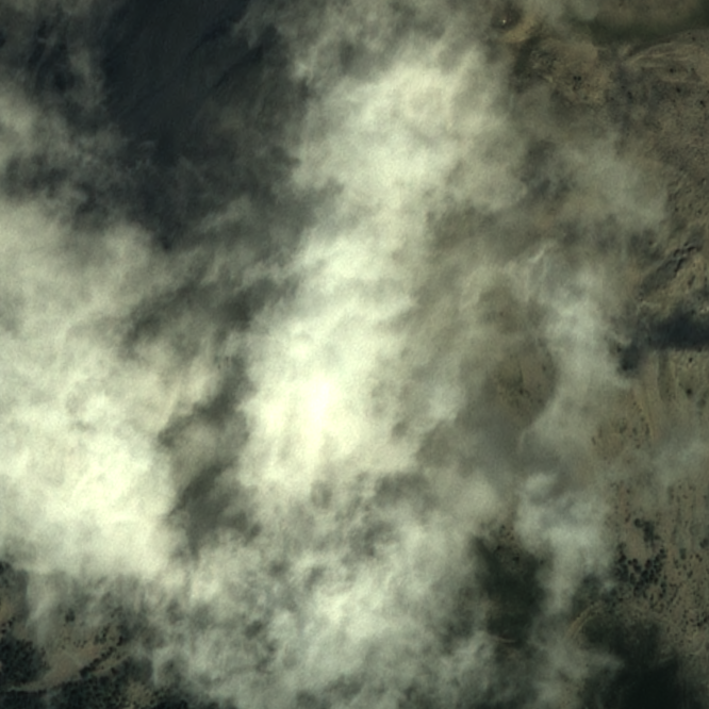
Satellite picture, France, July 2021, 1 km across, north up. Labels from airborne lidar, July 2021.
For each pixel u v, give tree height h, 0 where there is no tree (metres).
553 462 0
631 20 0
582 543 0
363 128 0
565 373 0
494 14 0
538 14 0
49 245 0
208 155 0
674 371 0
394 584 0
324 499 0
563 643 0
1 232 0
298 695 0
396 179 0
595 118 0
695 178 0
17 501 7
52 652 0
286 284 0
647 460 0
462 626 0
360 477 0
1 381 0
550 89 0
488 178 0
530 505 0
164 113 0
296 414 0
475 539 0
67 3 0
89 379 7
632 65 0
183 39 0
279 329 0
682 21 0
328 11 0
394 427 0
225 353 0
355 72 0
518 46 0
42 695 13
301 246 0
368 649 0
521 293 0
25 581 0
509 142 0
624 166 0
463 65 0
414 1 0
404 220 0
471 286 0
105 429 11
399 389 0
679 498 0
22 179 0
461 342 0
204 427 0
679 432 0
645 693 0
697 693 0
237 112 0
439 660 0
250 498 0
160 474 8
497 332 0
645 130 0
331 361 0
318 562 0
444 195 0
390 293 0
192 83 0
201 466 0
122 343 0
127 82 0
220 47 0
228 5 0
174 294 0
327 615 0
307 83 0
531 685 0
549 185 0
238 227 0
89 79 0
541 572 0
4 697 10
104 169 0
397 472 0
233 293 0
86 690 7
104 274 11
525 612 0
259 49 0
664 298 0
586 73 0
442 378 0
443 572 0
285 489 0
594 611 0
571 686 0
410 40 0
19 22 0
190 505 0
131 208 0
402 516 0
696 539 0
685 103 0
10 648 19
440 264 0
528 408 0
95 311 9
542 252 0
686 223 0
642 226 0
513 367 0
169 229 0
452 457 0
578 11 0
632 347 0
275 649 0
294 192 0
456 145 0
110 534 11
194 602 0
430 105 0
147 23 0
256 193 0
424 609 0
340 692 0
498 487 0
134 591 6
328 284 0
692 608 0
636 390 0
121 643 8
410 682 0
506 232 0
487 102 0
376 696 0
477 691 0
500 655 0
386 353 0
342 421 0
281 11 0
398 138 0
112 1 0
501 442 0
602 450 0
